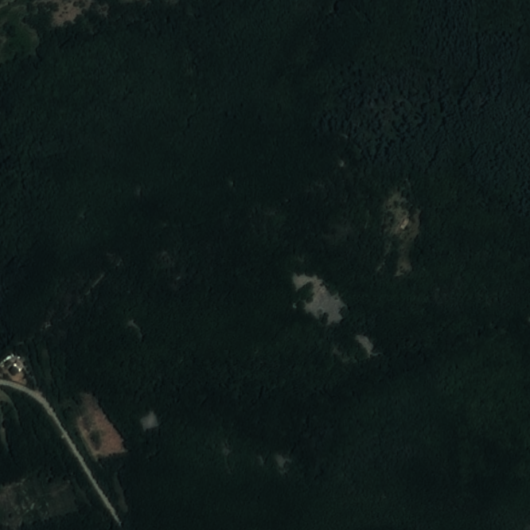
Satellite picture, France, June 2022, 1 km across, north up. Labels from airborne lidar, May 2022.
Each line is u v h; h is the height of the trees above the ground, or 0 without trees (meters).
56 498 0
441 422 12
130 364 23
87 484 13
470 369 17
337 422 17
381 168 20
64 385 16
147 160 13
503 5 29
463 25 31
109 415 22
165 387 27
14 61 20
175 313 22
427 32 31
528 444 21
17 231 16
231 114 14
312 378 22
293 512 14
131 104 15
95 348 23
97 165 12
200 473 13
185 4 14
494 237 25
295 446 18
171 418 22
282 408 22
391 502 12
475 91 23
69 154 20
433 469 15
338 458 11
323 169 11
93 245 11
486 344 20
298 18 15
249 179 15
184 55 21
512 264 21
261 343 16
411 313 16
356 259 20
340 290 15
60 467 11
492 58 30
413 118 18
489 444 24
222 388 26
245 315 16
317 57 20
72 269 12
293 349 16
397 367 29
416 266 17
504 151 29
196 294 20
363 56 22
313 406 21
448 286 8
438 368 18
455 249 22
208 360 19
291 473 12
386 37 21
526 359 18
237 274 18
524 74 18
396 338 23
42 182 18
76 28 19
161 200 14
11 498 0
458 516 12
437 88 17
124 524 20
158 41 22
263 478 14
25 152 21
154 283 17
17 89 20
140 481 21
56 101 19
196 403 23
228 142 15
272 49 12
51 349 10
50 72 19
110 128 18
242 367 14
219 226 12
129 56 20
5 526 8
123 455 20
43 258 23
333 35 21
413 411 15
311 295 10
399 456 12
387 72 33
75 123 16
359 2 19
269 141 16
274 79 21
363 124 13
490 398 17
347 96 32
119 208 11
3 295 23
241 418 18
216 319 15
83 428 0
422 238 14
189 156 12
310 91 20
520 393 18
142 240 14
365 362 17
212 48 18
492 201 22
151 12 11
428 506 15
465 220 16
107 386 26
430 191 17
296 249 16
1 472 23
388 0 17
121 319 20
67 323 12
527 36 16
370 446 11
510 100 26
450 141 33
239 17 14
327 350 17
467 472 18
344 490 7
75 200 12
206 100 13
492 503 15
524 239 17
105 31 17
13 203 18
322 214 14
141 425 13
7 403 11
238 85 16
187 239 13
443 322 23
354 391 30
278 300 19
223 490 11
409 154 35
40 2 7
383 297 17
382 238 13
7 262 13
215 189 14
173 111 14
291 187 12
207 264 13
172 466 18
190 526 19
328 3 29
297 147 15
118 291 11
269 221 8
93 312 11
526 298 19
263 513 14
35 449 17
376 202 12
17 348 15
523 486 19
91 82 22
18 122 13
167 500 19
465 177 24
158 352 20
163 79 13
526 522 6
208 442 7
